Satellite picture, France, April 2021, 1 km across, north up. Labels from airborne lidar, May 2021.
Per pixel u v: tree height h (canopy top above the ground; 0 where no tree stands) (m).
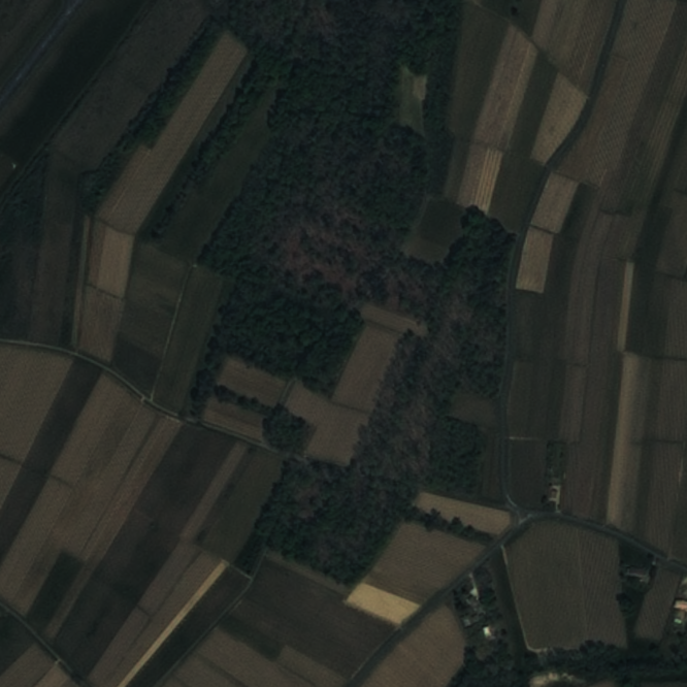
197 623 0
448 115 17
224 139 16
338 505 18
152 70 0
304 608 0
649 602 0
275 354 17
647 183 0
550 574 0
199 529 0
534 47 0
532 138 0
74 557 0
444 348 21
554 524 0
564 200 0
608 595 0
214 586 0
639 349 0
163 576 0
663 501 0
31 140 0
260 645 0
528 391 0
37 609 0
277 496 16
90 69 0
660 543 0
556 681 0
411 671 0
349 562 14
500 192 0
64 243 0
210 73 0
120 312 0
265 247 6
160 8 0
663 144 0
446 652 0
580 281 0
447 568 0
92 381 0
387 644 0
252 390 0
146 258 0
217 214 0
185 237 0
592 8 0
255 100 11
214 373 13
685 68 0
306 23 13
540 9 0
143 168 0
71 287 0
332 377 14
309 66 17
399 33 25
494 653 7
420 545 0
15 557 0
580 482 0
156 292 0
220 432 0
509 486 0
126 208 0
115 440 0
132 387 0
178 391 0
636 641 0
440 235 0
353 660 0
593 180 0
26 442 0
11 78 0
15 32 0
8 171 0
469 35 0
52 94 0
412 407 18
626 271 0
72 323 0
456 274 19
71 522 0
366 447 13
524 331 0
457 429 14
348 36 23
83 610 0
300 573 0
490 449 0
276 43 16
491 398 8
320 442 0
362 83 14
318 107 18
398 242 18
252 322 16
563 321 0
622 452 0
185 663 0
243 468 0
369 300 17
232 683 0
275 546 18
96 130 0
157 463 0
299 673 0
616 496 0
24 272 0
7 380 0
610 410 0
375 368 0
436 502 0
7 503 0
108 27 0
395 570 0
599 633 0
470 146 0
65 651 0
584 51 0
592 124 0
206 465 0
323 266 9
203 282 0
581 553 0
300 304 13
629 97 0
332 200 12
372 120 26
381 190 15
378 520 11
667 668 18
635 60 0
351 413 0
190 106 0
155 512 0
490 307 17
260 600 0
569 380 0
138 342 0
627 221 0
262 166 13
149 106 8
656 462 0
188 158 0
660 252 0
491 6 0
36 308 0
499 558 0
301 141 7
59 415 0
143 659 0
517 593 0
